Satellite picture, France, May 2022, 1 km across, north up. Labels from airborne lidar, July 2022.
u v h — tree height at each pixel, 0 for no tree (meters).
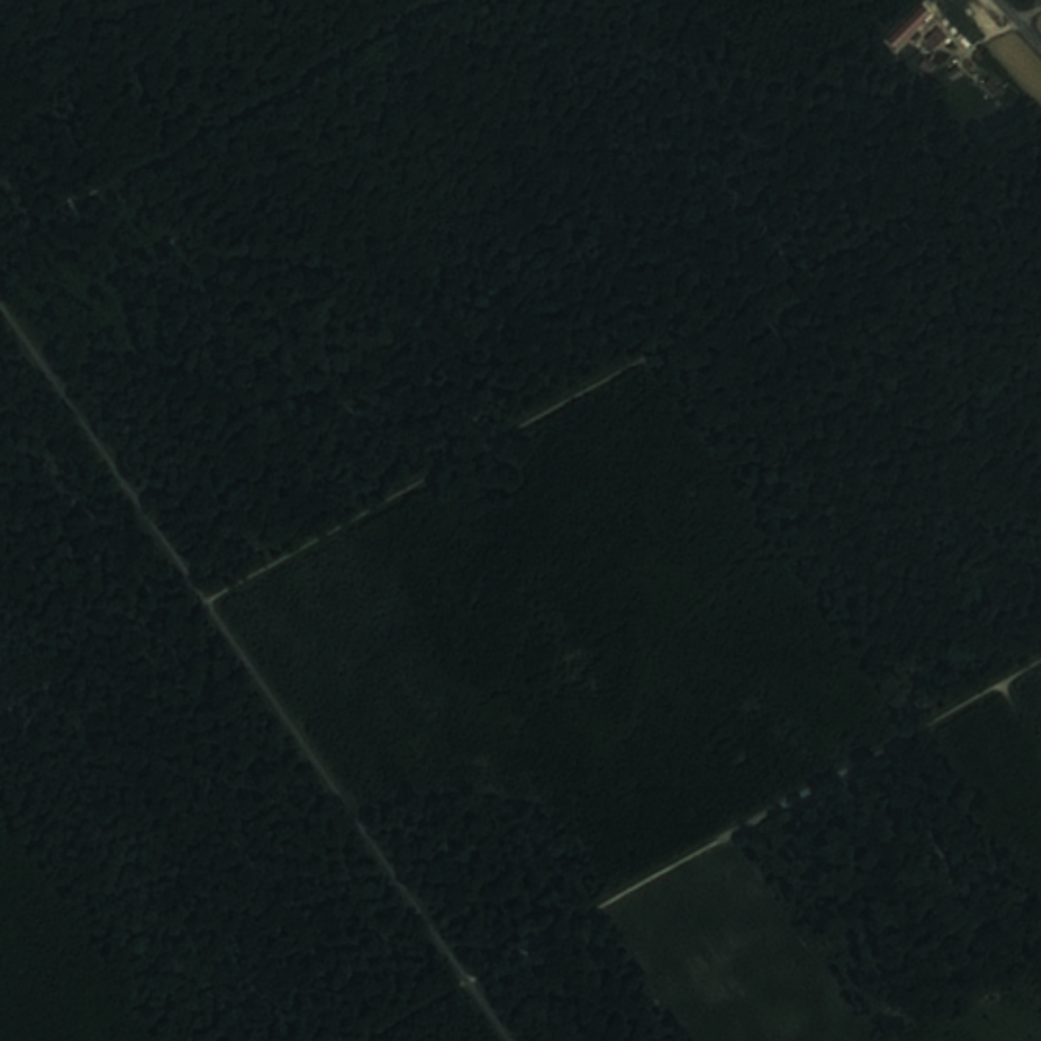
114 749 29
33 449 29
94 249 27
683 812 10
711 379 33
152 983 26
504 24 27
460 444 32
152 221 27
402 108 32
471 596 8
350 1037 29
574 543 10
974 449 34
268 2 25
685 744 10
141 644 31
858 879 33
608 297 29
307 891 29
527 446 31
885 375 30
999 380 24
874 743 6
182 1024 28
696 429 29
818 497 26
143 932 24
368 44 27
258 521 27
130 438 28
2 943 17
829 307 33
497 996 23
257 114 21
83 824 27
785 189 34
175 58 30
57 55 27
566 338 30
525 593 6
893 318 31
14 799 25
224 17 26
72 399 18
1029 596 26
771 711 9
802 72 19
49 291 29
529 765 12
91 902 24
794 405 29
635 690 11
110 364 27
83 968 16
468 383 28
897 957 31
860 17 20
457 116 25
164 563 7
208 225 26
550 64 31
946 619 28
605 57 24
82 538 33
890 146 33
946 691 31
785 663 10
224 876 27
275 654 8
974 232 32
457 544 9
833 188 32
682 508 7
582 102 26
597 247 26
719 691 10
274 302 30
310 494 31
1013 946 28
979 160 29
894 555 25
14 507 31
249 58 30
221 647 27
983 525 25
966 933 34
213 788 26
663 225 30
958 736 8
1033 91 0
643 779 10
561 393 6
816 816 33
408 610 8
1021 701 6
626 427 9
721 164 32
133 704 29
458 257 26
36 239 29
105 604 28
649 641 10
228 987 23
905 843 34
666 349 29
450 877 32
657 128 30
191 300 26
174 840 27
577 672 7
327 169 27
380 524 8
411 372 31
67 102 14
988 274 29
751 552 12
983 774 6
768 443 31
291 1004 8
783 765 10
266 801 28
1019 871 32
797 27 20
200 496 30
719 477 8
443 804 23
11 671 20
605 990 27
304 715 7
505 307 31
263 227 31
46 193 30
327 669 6
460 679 8
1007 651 28
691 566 10
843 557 28
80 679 25
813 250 29
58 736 25
